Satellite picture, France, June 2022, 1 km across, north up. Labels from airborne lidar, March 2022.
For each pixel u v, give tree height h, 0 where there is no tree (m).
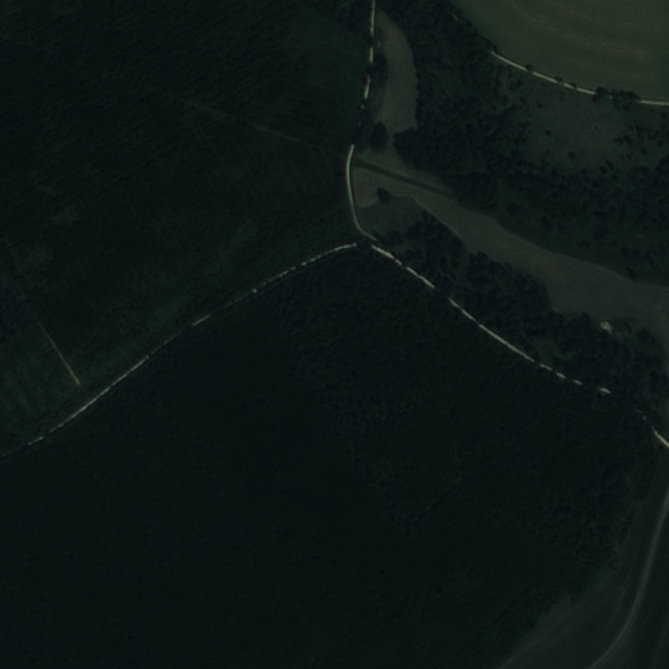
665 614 0
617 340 0
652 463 0
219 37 0
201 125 0
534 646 0
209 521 11
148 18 0
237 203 0
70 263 0
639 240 0
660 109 0
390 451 0
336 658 0
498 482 0
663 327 0
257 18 0
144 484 0
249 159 0
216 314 0
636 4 0
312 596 0
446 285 25
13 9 0
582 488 13
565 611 0
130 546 0
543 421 20
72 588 0
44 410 0
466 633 0
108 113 0
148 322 0
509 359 0
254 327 0
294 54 0
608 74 0
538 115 0
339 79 0
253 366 0
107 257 0
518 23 0
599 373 0
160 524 0
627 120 0
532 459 17
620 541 0
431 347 9
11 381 0
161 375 12
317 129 0
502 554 0
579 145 0
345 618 0
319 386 0
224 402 0
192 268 0
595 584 0
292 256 0
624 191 0
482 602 0
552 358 0
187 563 0
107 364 0
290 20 0
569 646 0
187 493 0
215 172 0
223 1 0
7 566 15
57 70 0
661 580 0
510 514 0
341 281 20
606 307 0
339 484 0
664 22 0
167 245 0
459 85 0
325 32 0
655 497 0
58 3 0
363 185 0
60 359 0
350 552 0
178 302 0
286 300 0
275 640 0
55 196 0
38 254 0
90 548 0
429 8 0
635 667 0
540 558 0
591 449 0
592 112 0
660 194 0
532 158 0
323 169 0
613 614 0
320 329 0
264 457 0
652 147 0
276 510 0
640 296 0
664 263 0
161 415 0
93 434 14
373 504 0
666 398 0
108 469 0
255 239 0
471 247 0
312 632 0
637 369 25
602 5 0
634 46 0
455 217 0
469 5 0
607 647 0
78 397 0
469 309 15
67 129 0
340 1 10
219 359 0
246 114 0
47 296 0
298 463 0
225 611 9
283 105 0
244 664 0
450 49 0
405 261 19
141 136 0
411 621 0
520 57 0
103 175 0
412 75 0
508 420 0
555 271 0
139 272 0
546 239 0
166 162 0
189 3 0
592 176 0
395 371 0
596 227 0
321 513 0
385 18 0
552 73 0
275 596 0
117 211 0
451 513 10
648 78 0
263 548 0
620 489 0
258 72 0
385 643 0
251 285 0
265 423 0
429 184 0
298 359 0
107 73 0
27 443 0
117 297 0
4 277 16
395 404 0
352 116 0
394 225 0
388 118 0
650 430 28
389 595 0
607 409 0
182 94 0
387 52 0
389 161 0
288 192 0
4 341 15
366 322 20
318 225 0
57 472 0
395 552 0
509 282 26
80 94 0
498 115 0
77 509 0
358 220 0
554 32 0
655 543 0
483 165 0
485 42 12
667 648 0
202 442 0
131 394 0
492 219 0
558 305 0
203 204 0
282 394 0
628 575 0
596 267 0
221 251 0
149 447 0
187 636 0
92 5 0
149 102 0
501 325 23
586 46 0
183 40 0
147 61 0
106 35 0
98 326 0
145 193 0
